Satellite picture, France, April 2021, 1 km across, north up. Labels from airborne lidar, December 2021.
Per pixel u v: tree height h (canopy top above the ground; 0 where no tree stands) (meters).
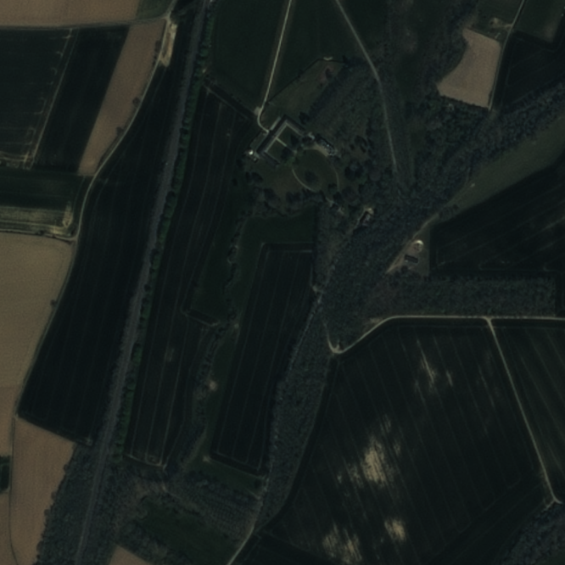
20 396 0
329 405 0
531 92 0
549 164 0
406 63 0
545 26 0
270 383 0
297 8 0
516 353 0
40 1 0
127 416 18
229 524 37
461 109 8
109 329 0
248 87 0
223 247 0
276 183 0
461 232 0
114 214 0
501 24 0
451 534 0
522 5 0
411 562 0
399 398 0
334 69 0
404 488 0
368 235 22
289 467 13
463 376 0
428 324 0
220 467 0
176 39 0
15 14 0
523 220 0
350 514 0
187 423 0
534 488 0
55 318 0
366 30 0
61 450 0
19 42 0
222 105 0
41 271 0
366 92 28
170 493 24
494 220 0
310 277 0
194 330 0
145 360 0
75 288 0
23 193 0
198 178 0
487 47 0
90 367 0
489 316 18
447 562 0
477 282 15
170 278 0
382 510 0
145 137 0
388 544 0
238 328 0
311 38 0
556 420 0
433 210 13
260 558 0
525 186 0
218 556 0
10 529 0
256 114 0
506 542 0
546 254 0
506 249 0
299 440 13
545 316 13
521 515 0
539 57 0
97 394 0
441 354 0
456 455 0
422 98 11
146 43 0
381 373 0
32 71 0
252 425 0
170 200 18
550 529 16
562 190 0
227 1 0
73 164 0
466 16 29
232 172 0
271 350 0
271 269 0
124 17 0
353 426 0
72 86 0
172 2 0
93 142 0
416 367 0
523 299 19
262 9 0
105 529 22
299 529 0
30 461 0
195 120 0
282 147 0
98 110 0
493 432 0
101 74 0
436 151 27
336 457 0
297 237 0
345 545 0
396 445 0
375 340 0
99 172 0
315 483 0
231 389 0
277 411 17
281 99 0
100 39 0
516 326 0
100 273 0
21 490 0
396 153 23
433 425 0
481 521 0
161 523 0
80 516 9
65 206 0
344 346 9
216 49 0
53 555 15
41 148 0
